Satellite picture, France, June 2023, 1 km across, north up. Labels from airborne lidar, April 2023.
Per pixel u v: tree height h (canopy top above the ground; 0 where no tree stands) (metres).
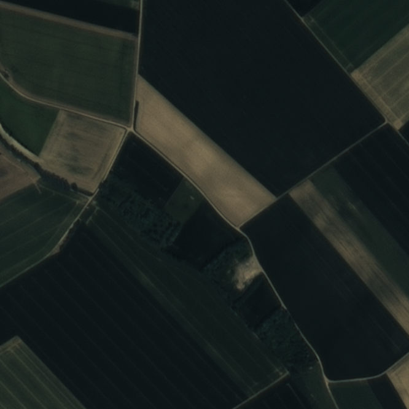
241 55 0
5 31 0
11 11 0
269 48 0
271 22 0
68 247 0
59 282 0
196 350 0
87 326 0
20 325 0
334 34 0
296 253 0
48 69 0
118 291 0
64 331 0
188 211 0
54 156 0
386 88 0
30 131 0
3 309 0
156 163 0
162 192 0
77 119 0
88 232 0
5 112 0
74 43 0
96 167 0
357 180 0
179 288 0
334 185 0
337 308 0
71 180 0
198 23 0
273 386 0
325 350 0
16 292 0
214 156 0
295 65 0
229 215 0
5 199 0
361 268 0
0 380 0
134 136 0
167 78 0
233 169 0
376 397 0
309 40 0
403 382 0
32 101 0
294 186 0
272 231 0
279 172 0
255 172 0
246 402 0
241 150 0
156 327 0
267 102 0
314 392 0
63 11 0
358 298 0
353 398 0
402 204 0
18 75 0
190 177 0
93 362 0
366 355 0
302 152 0
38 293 0
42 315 0
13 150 22
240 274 0
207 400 0
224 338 0
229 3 0
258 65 0
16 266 0
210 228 0
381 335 0
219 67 0
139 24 0
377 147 0
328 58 0
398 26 0
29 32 0
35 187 0
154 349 0
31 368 0
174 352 0
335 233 0
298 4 0
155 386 0
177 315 0
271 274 0
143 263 0
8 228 0
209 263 14
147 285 0
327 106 0
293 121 0
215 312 0
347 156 0
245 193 0
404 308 0
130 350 0
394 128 0
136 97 0
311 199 0
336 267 0
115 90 0
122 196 0
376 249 0
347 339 0
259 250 0
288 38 0
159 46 0
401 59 0
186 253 0
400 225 0
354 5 0
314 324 0
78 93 0
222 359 0
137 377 0
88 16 0
